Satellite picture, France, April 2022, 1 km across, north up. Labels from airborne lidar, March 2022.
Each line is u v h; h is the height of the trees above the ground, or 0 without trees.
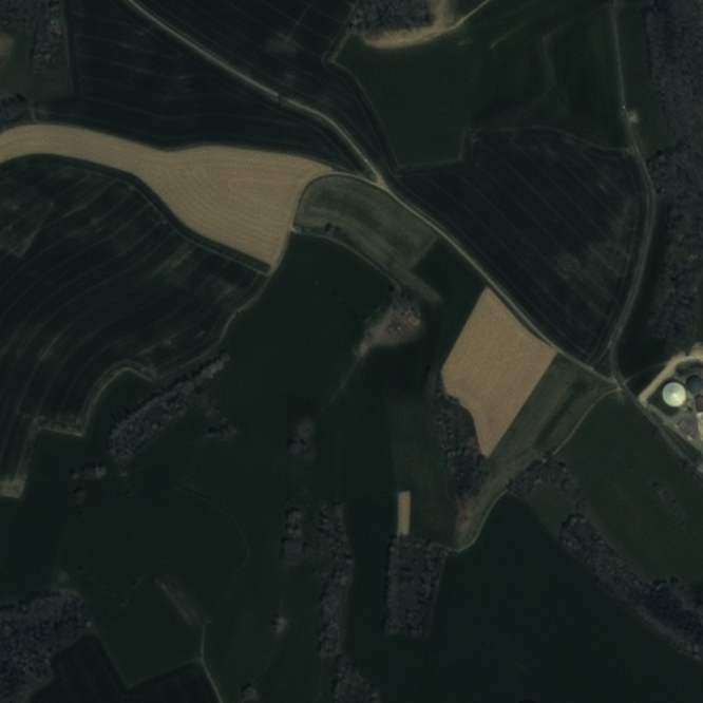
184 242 0
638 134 0
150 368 0
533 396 0
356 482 0
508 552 0
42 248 0
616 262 0
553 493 0
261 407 0
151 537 0
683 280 20
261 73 0
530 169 0
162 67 0
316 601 0
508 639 0
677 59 14
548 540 0
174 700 0
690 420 0
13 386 0
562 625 0
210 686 0
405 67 0
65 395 0
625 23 0
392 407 0
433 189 0
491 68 0
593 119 0
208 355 0
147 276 0
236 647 0
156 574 0
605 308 0
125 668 0
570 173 0
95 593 0
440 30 0
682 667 0
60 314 0
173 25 0
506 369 0
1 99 0
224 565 0
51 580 0
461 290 0
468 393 0
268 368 0
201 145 0
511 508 0
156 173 0
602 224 0
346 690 17
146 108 0
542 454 0
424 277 0
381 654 0
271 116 0
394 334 0
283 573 0
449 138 0
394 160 0
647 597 17
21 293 0
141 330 0
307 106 0
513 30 0
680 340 23
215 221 0
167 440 0
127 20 0
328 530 16
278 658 0
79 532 0
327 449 0
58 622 16
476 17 0
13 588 0
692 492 0
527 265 0
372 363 0
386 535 0
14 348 0
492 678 0
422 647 0
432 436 0
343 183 0
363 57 0
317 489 0
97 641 0
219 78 0
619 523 0
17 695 21
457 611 0
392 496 0
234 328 0
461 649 0
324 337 0
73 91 0
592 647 0
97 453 0
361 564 0
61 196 0
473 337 0
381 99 0
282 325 0
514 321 0
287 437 0
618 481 0
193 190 0
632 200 0
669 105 18
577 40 0
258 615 0
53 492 0
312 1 0
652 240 0
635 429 0
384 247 0
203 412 0
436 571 11
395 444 0
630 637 0
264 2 0
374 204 0
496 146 0
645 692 0
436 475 0
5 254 0
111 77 0
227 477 0
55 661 0
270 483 0
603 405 0
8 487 0
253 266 0
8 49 0
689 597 22
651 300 0
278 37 0
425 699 0
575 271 0
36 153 0
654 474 0
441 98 0
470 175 0
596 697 0
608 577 13
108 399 0
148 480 0
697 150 27
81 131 0
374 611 0
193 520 0
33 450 0
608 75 0
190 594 0
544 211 0
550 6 0
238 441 0
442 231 0
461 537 0
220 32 0
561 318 0
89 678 0
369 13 21
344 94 0
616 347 0
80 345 0
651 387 0
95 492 0
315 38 0
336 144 0
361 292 0
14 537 0
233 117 0
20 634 18
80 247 0
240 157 0
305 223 0
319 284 0
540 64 0
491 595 0
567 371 0
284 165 0
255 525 0
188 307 0
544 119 0
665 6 24
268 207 0
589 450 0
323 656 11
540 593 0
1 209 0
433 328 0
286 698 0
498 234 0
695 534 0
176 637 0
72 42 0
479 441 0
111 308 0
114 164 0
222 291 0
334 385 0
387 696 0
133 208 0
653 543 0
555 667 0
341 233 14
